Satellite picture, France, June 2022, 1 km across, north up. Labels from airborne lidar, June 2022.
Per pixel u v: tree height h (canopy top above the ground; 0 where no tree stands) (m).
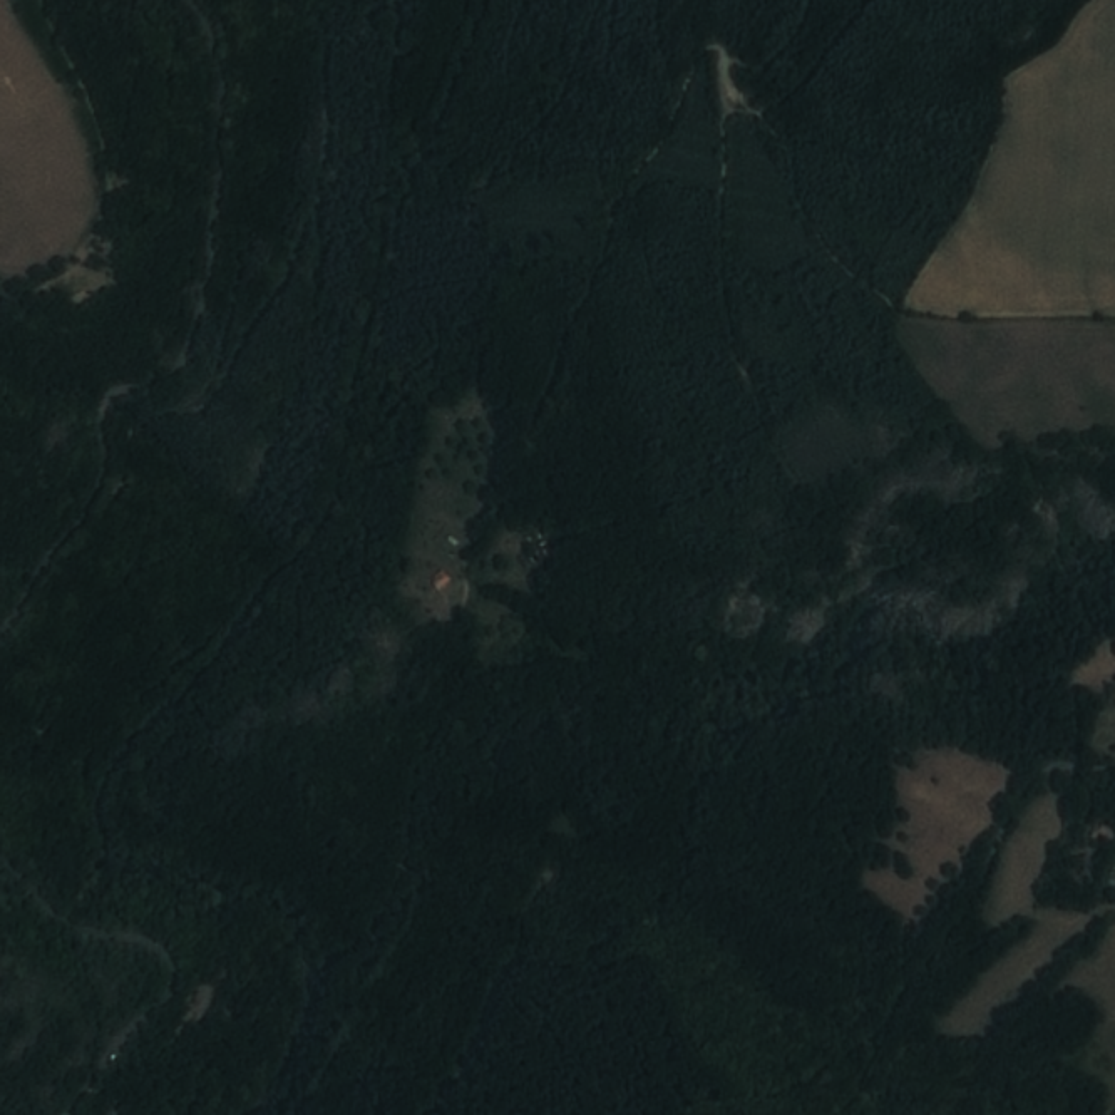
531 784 25
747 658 23
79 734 18
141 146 10
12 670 13
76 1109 16
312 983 14
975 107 14
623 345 16
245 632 25
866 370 17
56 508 16
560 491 24
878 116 16
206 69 12
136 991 8
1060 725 23
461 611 23
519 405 20
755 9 20
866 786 15
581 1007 28
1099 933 17
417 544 0
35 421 13
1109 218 0
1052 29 8
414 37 27
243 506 14
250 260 17
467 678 30
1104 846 15
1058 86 0
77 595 9
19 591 14
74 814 23
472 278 25
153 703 14
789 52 17
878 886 0
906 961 24
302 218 20
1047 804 0
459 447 8
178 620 18
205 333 21
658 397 18
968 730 12
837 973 23
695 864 23
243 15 20
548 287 15
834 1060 20
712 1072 24
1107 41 0
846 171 17
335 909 22
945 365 0
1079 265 0
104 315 15
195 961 18
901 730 12
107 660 18
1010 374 0
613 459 21
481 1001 12
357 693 12
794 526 12
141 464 13
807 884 22
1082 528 9
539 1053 27
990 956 22
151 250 14
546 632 7
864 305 16
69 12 13
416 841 25
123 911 15
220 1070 27
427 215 27
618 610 13
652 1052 28
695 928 22
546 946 16
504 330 11
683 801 16
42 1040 14
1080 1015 21
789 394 18
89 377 16
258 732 7
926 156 13
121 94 10
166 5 11
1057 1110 19
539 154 11
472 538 18
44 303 14
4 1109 11
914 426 11
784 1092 18
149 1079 23
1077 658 13
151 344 10
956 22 13
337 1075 32
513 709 21
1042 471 13
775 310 6
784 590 16
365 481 27
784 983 21
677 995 23
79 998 7
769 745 18
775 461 8
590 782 19
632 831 13
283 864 26
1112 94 0
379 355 29
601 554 24
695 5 6
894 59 14
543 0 14
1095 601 13
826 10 11
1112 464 15
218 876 29
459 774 26
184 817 29
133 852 21
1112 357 0
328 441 32
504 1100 31
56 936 10
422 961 14
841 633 17
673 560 14
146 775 19
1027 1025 24
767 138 11
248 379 15
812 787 19
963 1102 23
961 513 22
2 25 0
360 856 23
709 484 9
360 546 26
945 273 0
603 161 14
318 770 23
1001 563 10
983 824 0
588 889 10
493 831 12
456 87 16
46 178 0
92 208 0
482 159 12
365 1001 19
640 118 16
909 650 12
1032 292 0
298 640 20
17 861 19
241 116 9
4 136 0
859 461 7
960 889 20
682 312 19
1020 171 0
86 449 13
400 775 26
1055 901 16
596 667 23
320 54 17
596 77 14
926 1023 20
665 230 17
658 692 29
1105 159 0
